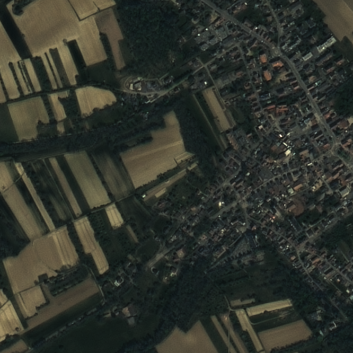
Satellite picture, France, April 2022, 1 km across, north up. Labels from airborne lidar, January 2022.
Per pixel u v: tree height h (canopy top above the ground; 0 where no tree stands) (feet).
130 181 0
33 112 0
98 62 0
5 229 0
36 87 0
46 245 0
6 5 0
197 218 0
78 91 0
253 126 0
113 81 0
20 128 0
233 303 0
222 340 0
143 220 0
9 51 0
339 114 20
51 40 0
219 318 19
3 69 0
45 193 38
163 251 0
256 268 0
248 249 0
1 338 0
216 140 0
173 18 80
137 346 97
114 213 0
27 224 0
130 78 0
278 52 0
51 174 0
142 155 0
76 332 0
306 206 25
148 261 77
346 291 0
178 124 0
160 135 0
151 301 63
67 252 0
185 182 0
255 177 57
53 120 37
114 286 17
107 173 0
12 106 0
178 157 0
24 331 0
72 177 0
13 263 0
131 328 0
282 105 0
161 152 0
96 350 0
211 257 0
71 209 0
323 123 0
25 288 0
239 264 42
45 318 0
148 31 86
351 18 0
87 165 0
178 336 0
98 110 48
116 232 50
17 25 0
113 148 51
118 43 0
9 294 0
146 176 0
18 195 0
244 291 0
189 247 46
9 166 0
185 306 59
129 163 0
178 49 101
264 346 0
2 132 0
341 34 0
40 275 0
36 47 0
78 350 0
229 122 0
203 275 64
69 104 33
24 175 0
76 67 0
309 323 38
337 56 22
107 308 43
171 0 0
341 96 31
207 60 0
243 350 0
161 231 21
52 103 0
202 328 0
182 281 73
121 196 0
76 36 0
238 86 30
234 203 0
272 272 0
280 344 0
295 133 0
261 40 0
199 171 0
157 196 0
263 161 0
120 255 0
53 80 0
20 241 41
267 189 21
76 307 0
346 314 48
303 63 0
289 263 0
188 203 32
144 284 0
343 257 0
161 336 63
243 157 0
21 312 0
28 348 0
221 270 66
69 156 0
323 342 46
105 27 0
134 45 66
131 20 85
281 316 0
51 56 0
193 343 0
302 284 59
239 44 0
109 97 0
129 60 0
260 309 0
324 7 0
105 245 33
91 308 0
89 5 0
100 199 0
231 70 0
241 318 0
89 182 0
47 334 0
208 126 0
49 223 0
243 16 0
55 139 54
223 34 0
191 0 24
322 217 24
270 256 0
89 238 0
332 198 20
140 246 23
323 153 0
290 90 0
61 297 0
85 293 0
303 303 80
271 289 0
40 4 0
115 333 0
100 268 0
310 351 0
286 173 0
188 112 41
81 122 49
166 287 0
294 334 0
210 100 0
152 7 86
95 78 0
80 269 70
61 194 0
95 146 52
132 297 0
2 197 0
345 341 68
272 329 0
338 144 0
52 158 0
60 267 0
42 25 0
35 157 0
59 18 0
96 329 0
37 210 0
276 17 0
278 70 61
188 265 47
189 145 56
